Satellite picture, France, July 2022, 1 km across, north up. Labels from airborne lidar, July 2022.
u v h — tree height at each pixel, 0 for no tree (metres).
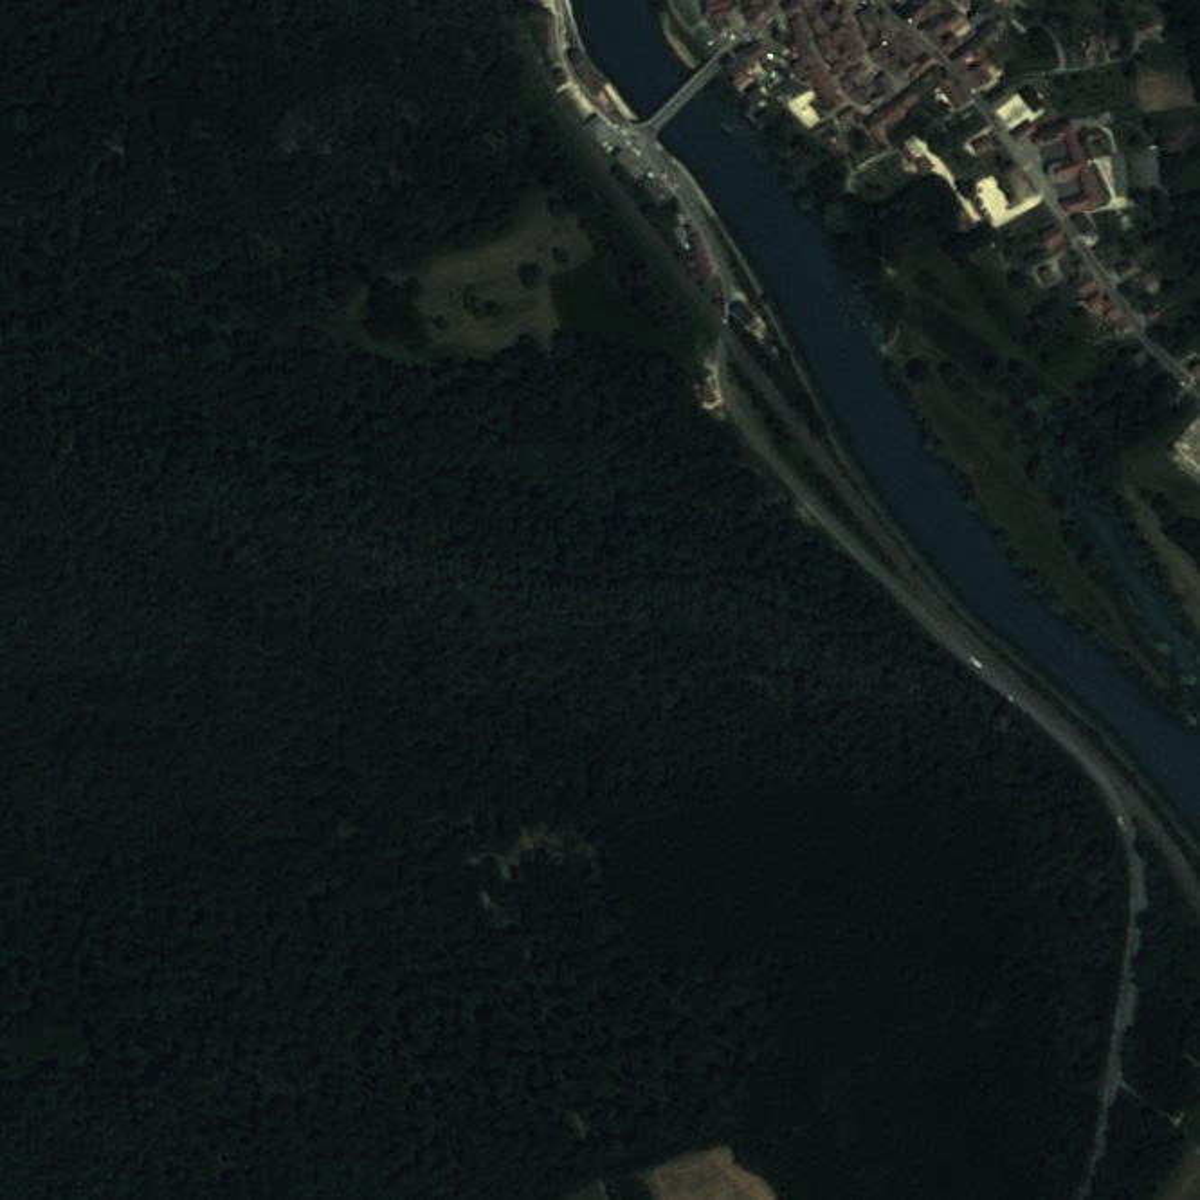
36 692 14
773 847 16
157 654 16
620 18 0
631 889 21
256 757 18
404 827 23
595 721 20
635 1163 16
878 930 14
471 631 10
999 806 17
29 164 25
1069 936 8
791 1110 8
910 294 0
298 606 18
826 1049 6
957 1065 6
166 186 27
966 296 0
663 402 26
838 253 25
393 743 24
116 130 26
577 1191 17
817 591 28
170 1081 27
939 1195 7
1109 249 0
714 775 25
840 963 12
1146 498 13
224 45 30
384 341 16
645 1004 31
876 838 14
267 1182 17
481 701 14
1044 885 14
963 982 7
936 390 0
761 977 6
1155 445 0
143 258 27
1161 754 0
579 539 29
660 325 20
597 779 20
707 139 0
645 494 26
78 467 26
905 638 26
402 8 17
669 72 0
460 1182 24
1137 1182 22
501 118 23
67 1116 31
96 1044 26
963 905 16
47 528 13
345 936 20
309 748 20
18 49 18
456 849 24
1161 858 13
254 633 19
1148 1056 14
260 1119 25
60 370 33
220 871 16
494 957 26
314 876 10
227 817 23
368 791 25
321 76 22
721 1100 24
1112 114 0
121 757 21
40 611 14
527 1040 35
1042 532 0
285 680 19
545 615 7
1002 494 0
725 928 19
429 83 19
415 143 26
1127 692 0
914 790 15
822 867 19
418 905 25
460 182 17
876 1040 7
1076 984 22
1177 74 0
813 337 0
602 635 8
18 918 19
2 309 12
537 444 31
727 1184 0
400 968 23
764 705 20
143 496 18
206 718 17
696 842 19
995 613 0
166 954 25
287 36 25
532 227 0
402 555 16
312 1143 21
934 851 24
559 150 12
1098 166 0
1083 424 15
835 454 9
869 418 0
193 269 18
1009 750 18
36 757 18
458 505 26
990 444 0
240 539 9
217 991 16
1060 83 12
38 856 22
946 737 15
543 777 20
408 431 31
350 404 27
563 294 0
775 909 19
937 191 12
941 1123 6
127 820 18
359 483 21
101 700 12
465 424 29
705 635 9
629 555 29
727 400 0
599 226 9
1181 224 8
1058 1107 13
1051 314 14
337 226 32
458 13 29
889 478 0
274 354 24
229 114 24
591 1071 29
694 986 33
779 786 27
